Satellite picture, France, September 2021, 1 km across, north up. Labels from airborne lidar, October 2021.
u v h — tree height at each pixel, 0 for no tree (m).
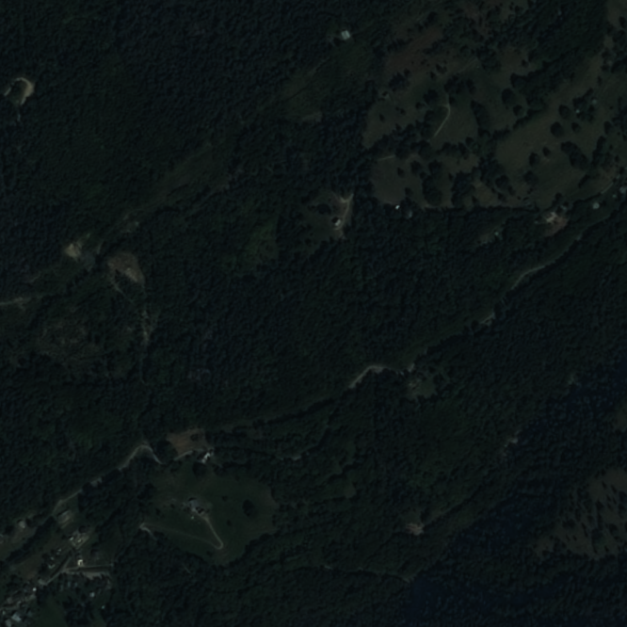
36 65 10
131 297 13
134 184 19
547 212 9
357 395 21
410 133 17
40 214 18
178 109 17
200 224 22
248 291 17
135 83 17
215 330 15
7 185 30
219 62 29
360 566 20
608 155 11
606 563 10
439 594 21
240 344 20
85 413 24
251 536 0
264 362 24
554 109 0
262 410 24
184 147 20
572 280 23
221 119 28
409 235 22
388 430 22
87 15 16
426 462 19
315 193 14
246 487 0
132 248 18
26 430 18
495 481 12
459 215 17
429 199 23
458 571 12
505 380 18
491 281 20
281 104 9
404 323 21
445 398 22
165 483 0
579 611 17
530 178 12
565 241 11
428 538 19
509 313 9
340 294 6
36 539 16
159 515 14
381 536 20
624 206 17
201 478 21
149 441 21
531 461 17
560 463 16
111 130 17
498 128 0
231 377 31
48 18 16
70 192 20
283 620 20
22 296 22
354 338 16
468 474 21
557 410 38
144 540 22
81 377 8
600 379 25
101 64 17
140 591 20
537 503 14
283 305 18
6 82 14
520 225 14
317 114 0
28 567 0
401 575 18
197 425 20
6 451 21
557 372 23
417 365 13
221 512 0
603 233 19
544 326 22
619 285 23
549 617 9
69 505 6
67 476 17
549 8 20
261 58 27
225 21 14
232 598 19
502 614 17
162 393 18
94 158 19
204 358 26
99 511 22
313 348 14
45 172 17
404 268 19
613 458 12
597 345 20
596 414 23
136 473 26
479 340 30
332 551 22
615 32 14
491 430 27
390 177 0
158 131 22
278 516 17
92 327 11
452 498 14
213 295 23
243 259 20
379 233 28
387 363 10
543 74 15
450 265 25
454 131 0
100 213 21
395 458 21
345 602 19
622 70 16
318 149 10
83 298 8
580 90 0
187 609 22
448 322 25
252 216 16
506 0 0
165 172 15
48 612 0
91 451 15
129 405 25
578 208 17
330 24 24
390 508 16
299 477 22
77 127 17
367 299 17
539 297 18
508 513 14
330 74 7
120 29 26
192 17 30
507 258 14
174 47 12
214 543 0
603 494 0
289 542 25
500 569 22
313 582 29
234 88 21
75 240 15
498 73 17
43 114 16
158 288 19
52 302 17
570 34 25
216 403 24
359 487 21
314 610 20
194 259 17
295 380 20
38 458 24
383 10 15
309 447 14
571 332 20
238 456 19
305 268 20
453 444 26
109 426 19
